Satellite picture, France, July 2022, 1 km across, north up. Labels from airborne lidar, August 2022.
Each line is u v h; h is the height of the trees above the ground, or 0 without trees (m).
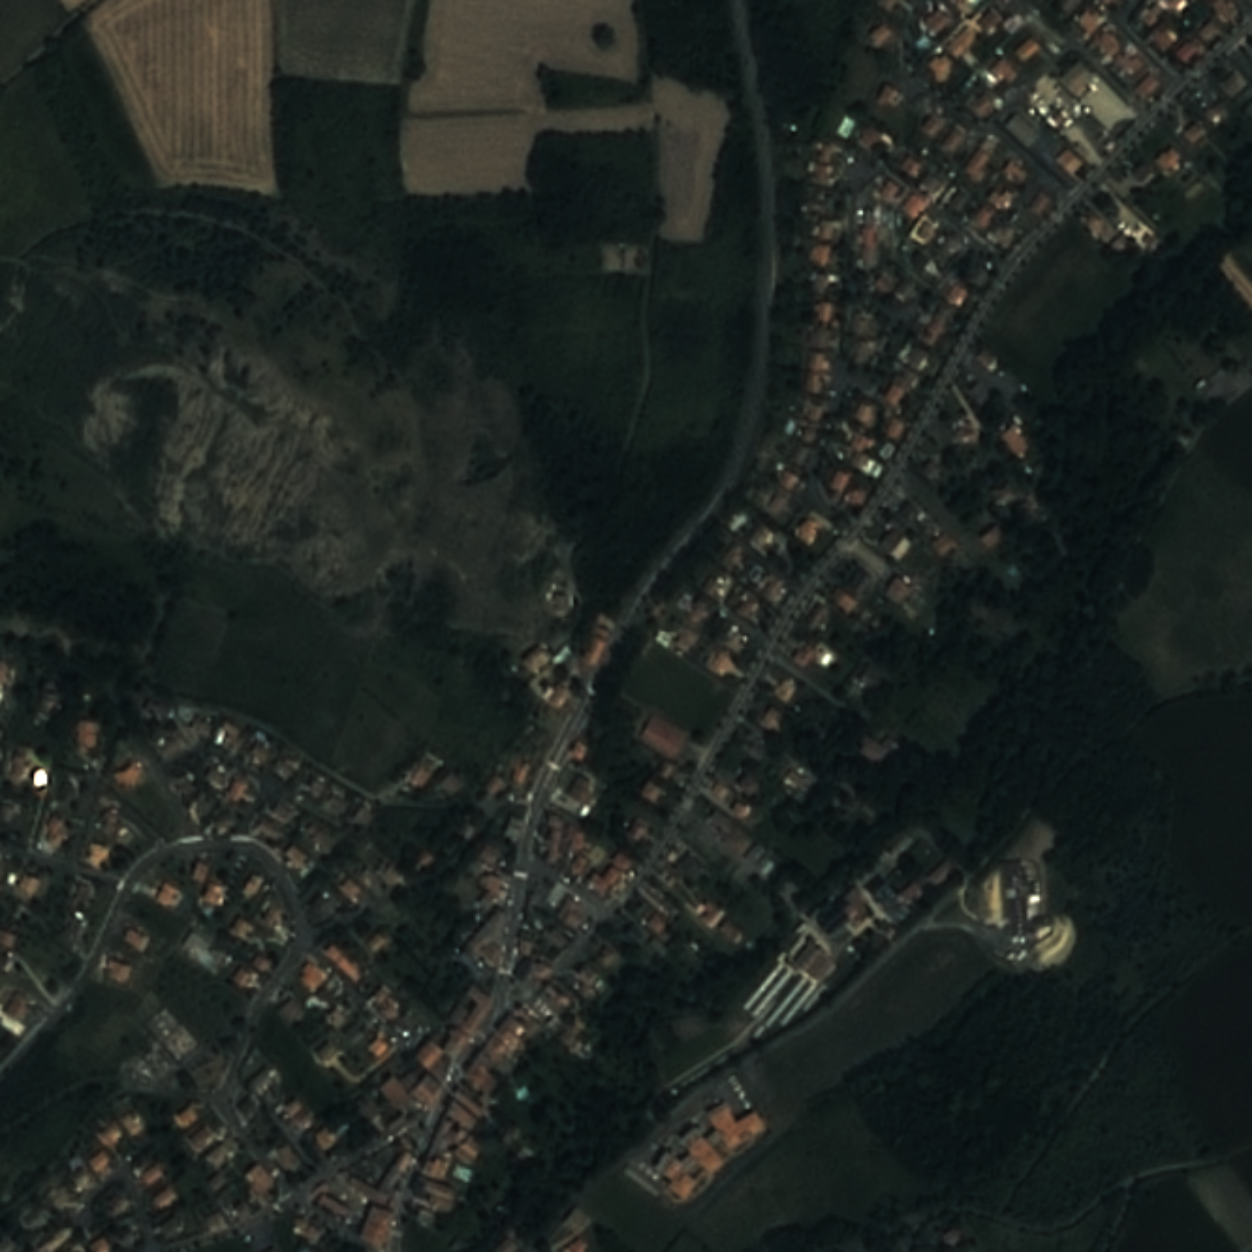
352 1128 7
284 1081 0
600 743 6
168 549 8
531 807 0
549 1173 18
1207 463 0
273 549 0
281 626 0
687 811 0
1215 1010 0
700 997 15
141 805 0
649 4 12
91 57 0
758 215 12
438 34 0
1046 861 12
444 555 0
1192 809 0
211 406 0
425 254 11
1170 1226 0
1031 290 0
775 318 9
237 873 7
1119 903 7
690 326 10
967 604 8
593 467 15
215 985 6
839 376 0
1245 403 0
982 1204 9
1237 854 0
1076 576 16
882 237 0
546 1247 15
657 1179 0
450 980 6
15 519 0
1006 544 7
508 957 0
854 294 7
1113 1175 5
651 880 8
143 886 0
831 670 8
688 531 0
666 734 0
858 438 0
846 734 17
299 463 0
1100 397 9
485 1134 17
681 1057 0
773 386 7
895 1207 7
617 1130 13
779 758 13
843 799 15
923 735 0
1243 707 0
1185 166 0
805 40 9
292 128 7
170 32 0
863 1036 0
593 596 10
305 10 0
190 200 10
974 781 17
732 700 0
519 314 7
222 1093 0
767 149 0
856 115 7
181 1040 0
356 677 0
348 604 9
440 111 0
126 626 20
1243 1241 0
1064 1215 7
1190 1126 6
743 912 0
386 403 0
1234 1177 0
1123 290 0
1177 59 10
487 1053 0
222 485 0
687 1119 0
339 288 6
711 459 7
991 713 17
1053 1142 8
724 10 11
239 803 10
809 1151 0
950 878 14
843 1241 10
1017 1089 8
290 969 0
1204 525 0
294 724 0
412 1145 8
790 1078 0
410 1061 13
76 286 0
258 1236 0
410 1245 0
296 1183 10
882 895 0
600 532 14
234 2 0
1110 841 8
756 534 0
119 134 0
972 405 7
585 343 0
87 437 0
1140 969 7
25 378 8
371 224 6
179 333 7
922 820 13
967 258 7
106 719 12
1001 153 0
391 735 0
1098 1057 10
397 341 9
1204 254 23
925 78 0
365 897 0
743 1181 0
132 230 10
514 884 0
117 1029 0
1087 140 0
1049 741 13
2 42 0
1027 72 0
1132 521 22
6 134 0
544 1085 8
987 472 10
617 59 0
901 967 0
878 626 8
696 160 0
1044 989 11
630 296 6
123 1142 0
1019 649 15
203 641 0
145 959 0
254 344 0
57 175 0
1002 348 0
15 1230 8
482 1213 12
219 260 11
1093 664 12
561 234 13
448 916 6
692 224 0
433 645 7
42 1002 0
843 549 0
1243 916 0
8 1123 9
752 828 0
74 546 14
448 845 8
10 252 0
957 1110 21
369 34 0
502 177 0
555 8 0
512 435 0
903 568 0
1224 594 0
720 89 14
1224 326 21
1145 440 14
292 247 9
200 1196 5
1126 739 14
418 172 0
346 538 0
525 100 0
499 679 12
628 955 13
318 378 0
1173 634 0
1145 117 0
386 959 7
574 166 13
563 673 11
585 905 0
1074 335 0
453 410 0
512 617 0
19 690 16
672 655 0
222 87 0
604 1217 0
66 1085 8
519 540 0
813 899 7
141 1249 8
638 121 0
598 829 13
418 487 0
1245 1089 0
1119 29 0
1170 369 0
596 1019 11
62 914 7
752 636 0
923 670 9
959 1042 11
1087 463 26
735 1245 0
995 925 0
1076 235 0
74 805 6
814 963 0
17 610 11
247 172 0
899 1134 14
